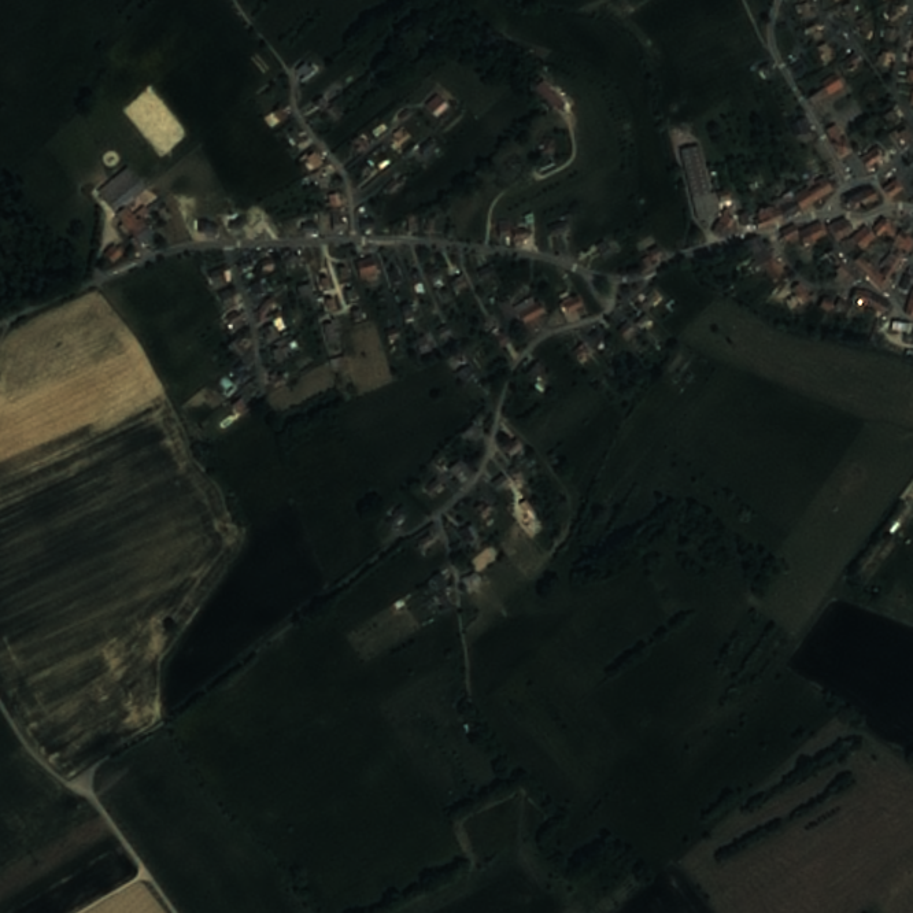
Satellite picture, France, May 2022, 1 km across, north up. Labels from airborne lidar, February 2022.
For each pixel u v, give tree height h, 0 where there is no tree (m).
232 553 0
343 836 0
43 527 0
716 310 0
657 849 0
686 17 0
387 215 0
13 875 0
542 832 9
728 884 0
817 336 16
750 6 0
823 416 0
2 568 0
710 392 0
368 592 0
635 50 0
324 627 0
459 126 0
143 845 0
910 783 0
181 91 0
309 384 0
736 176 9
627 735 0
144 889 0
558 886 0
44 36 0
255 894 0
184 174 0
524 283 0
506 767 11
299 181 0
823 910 0
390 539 0
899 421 0
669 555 0
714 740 0
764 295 0
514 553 0
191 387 0
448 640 0
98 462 0
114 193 0
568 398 0
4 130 0
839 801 0
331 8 0
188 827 0
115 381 0
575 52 0
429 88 0
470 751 0
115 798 0
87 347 0
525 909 0
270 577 0
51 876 0
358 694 0
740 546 12
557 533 10
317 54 0
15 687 0
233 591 0
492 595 0
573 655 0
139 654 0
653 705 0
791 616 0
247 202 0
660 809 0
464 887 0
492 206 0
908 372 0
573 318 0
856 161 0
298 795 0
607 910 0
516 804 0
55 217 0
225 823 0
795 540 0
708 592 0
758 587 10
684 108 0
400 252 0
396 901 17
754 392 0
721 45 0
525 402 0
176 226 0
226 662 0
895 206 0
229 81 0
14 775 0
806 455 0
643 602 0
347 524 0
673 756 0
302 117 0
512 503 0
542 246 0
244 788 0
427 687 0
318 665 0
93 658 0
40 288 13
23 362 0
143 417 0
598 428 0
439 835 0
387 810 0
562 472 16
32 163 0
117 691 0
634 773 0
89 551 0
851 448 0
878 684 0
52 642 0
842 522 0
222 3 0
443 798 0
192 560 0
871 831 0
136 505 0
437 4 25
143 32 0
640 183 0
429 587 8
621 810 0
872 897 0
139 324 0
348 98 10
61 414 0
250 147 0
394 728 0
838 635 0
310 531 0
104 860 0
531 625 0
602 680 0
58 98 0
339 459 0
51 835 0
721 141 10
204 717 0
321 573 0
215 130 0
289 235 0
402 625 0
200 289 0
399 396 0
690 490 0
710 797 0
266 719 0
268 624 0
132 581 0
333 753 0
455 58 14
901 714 0
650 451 0
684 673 0
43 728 0
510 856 0
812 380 0
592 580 15
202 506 0
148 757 0
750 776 0
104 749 0
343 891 0
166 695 0
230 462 0
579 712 0
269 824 0
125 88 0
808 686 0
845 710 15
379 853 0
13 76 0
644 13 0
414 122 0
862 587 9
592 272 0
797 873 0
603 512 16
